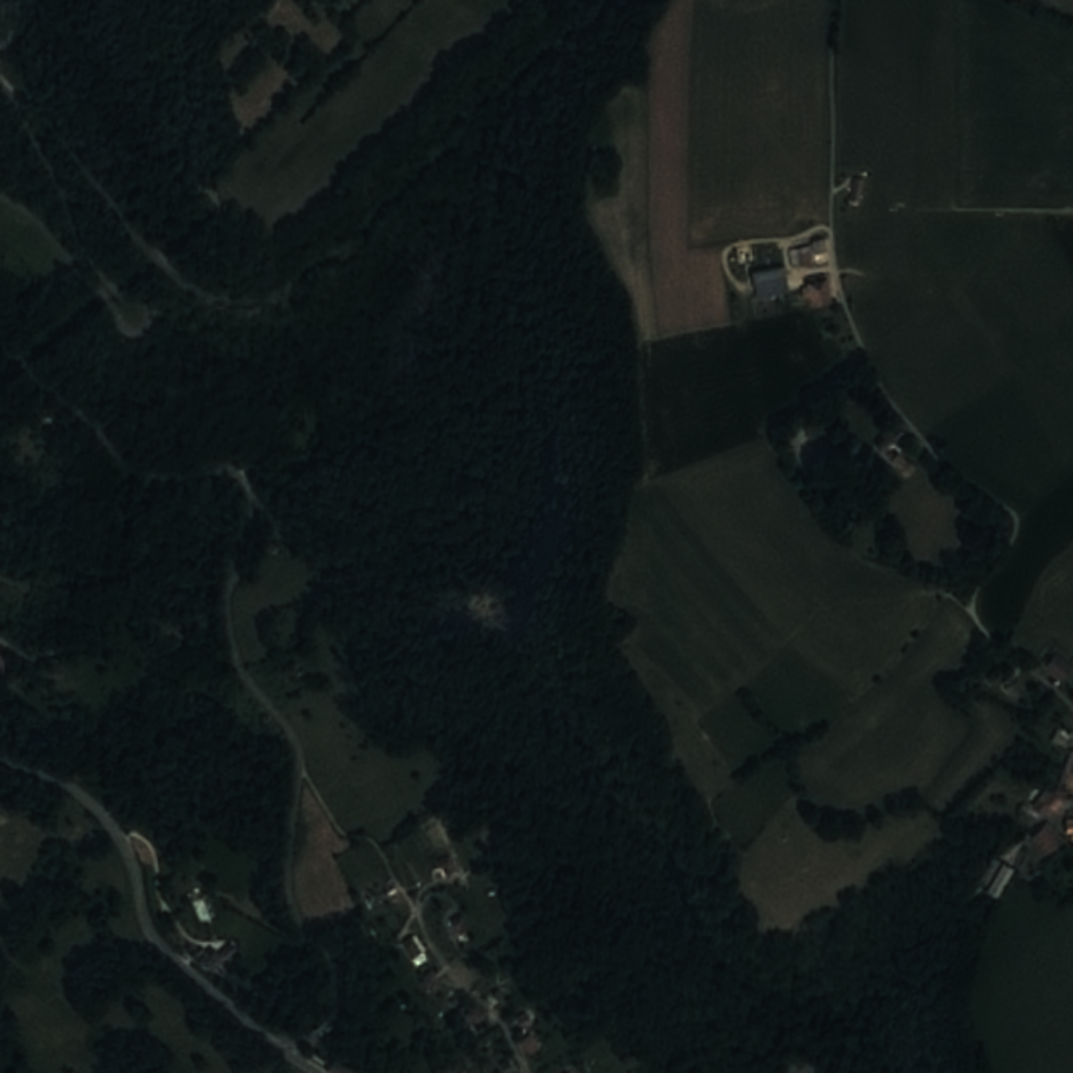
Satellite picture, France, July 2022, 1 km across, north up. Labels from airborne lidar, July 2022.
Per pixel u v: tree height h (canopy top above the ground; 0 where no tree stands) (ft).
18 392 63
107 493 50
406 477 117
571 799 86
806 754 0
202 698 41
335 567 76
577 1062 36
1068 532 0
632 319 47
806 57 0
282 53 54
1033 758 45
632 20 82
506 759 50
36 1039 0
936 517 0
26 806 46
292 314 83
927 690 0
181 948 18
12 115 80
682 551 0
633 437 65
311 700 0
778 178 0
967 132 0
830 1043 66
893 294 0
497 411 94
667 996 71
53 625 37
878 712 0
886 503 67
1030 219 0
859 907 77
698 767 0
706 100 0
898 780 0
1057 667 0
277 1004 74
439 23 0
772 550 0
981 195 0
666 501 0
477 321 84
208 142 28
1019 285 0
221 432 59
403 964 0
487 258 65
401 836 29
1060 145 0
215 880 47
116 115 97
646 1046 65
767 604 0
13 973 70
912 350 0
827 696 0
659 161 0
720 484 0
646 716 64
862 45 0
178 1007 0
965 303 0
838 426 72
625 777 87
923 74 0
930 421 0
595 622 80
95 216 73
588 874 87
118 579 60
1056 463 0
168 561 93
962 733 0
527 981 63
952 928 90
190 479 41
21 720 69
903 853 0
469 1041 64
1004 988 0
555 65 93
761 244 0
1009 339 0
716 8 0
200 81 41
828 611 0
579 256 72
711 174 0
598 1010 68
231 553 50
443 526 91
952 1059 72
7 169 81
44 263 0
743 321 0
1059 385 0
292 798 52
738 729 0
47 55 59
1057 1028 0
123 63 69
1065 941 0
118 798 42
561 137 81
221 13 22
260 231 38
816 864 0
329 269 57
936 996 85
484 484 113
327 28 0
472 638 82
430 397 106
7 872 0
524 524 76
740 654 0
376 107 0
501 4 0
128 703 25
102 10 83
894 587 0
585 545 35
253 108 0
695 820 64
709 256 0
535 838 67
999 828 74
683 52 0
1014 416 0
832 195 0
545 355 83
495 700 43
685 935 75
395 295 70
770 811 0
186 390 72
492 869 50
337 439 63
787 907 0
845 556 0
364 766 0
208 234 53
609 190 0
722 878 72
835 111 0
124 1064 92
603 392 64
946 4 0
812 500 75
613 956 87
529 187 57
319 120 0
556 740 86
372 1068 61
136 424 66
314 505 99
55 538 65
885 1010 98
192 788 91
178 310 22
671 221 0
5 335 63
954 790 0
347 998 95
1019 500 0
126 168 65
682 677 0
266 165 0
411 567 40
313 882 0
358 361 79
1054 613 0
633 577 0
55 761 84
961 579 70
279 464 57
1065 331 0
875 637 0
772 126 0
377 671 66
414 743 68
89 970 81
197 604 69
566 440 76
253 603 0
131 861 0
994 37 0
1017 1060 0
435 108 79
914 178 0
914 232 0
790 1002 86
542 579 65
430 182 94
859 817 59
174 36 20
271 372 58
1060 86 0
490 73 73
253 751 67
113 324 58
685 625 0
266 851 56
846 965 80
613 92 44
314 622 49
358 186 83
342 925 66
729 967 84
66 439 64
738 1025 91
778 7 0
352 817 0
